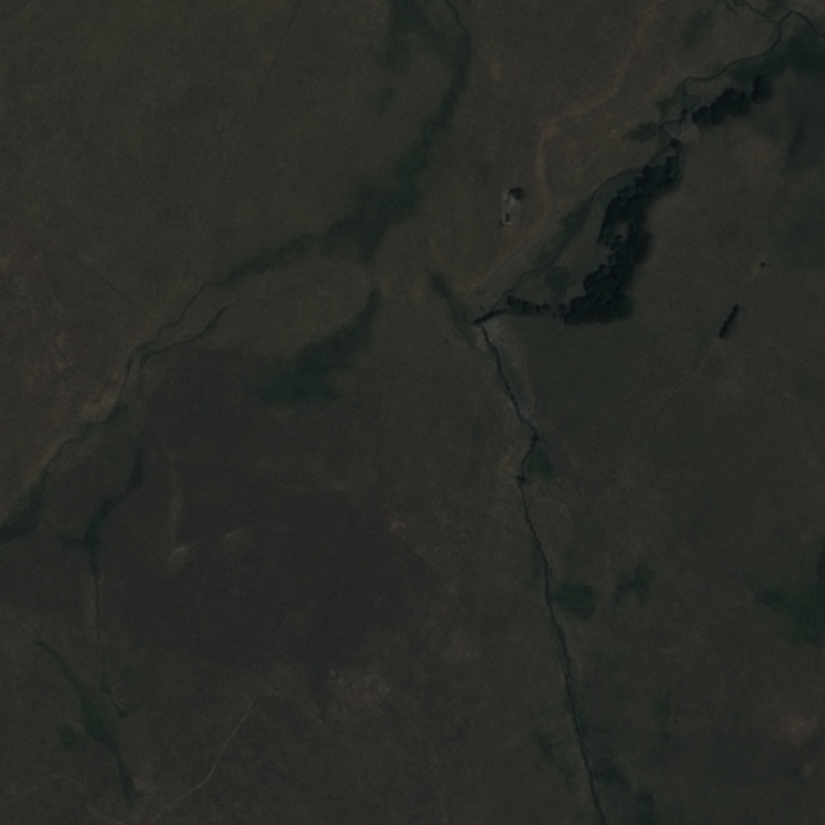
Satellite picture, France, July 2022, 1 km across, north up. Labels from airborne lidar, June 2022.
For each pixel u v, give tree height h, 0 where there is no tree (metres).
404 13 0
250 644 0
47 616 0
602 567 0
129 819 0
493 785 0
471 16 0
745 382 0
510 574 0
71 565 0
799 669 0
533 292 0
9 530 0
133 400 0
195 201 0
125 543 0
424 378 0
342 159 0
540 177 0
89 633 0
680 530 0
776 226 0
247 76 0
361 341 0
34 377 0
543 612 0
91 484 0
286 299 0
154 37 0
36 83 0
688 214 0
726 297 0
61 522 0
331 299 0
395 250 0
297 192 0
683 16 0
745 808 0
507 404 0
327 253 0
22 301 0
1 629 0
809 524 0
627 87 0
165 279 0
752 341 0
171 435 0
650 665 0
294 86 0
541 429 0
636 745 0
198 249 0
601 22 0
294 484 0
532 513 0
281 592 0
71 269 0
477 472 0
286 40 0
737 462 0
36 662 0
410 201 0
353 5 0
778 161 0
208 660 0
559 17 0
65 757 0
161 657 0
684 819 0
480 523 0
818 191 0
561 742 0
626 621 0
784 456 0
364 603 0
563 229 0
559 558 0
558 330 0
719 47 0
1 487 0
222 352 0
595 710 0
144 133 0
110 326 0
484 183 0
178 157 0
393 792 0
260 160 0
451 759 0
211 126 0
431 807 0
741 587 0
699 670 0
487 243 0
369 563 0
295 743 0
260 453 0
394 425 0
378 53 0
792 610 0
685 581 0
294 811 0
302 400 0
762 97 15
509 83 0
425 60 0
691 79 0
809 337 0
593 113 0
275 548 0
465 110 0
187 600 0
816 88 0
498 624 0
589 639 0
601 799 0
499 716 0
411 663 0
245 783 0
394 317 0
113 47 0
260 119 0
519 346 0
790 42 0
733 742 0
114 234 0
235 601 0
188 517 0
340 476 0
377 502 0
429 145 0
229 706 0
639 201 18
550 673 0
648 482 0
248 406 0
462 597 0
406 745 0
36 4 0
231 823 0
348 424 0
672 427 0
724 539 0
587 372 0
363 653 0
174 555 0
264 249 0
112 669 0
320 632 0
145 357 0
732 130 0
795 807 0
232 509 0
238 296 0
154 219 0
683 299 0
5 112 0
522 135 0
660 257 0
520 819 0
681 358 0
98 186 0
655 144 0
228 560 0
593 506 0
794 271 0
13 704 0
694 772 0
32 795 0
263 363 0
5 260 0
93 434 0
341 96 0
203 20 0
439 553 0
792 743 0
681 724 0
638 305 0
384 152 0
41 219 0
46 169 0
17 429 0
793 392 0
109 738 0
